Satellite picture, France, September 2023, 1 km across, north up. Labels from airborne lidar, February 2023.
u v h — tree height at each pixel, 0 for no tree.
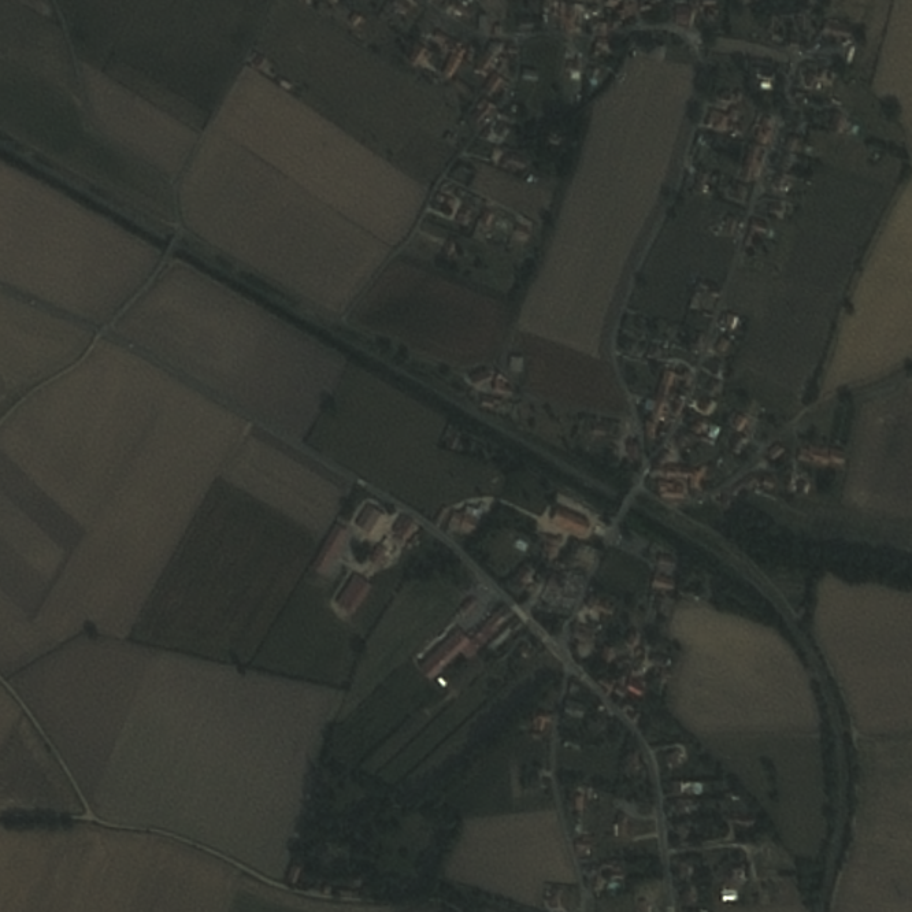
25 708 0
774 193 0
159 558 0
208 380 0
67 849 0
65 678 0
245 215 0
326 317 0
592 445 0
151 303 0
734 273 0
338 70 0
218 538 0
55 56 0
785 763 0
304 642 0
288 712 0
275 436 0
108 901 0
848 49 0
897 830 0
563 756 0
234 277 0
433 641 0
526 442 0
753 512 12
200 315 0
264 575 0
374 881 16
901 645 0
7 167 0
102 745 0
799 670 0
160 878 0
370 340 0
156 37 0
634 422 0
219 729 0
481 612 0
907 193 0
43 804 0
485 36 0
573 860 0
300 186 0
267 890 0
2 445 0
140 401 0
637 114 0
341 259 0
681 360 0
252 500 0
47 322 0
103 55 0
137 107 0
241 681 0
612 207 0
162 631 0
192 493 0
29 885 0
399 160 0
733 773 0
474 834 0
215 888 0
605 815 0
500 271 0
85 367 0
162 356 0
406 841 0
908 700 0
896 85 0
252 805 0
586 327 0
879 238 0
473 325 0
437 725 0
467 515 0
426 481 0
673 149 0
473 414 0
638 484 0
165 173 0
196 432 0
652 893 0
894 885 0
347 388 0
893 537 0
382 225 0
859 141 0
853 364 0
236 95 0
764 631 0
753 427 0
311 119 0
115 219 0
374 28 0
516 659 6
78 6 0
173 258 0
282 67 0
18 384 0
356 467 0
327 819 16
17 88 0
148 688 0
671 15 0
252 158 0
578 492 0
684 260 0
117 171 0
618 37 6
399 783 0
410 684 0
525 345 0
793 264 0
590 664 10
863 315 0
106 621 0
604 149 0
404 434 0
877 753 0
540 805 0
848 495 0
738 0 8
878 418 0
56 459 0
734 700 0
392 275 0
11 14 0
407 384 0
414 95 0
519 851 0
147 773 0
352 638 0
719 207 0
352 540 0
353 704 0
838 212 0
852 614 0
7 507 0
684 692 0
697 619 0
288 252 0
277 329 0
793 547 28
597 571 0
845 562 31
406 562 0
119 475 0
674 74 0
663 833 0
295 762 0
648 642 7
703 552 0
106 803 0
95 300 0
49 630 0
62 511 0
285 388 0
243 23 0
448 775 13
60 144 0
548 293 0
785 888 0
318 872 16
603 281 0
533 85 0
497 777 0
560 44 0
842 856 7
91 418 0
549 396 0
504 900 6
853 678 0
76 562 0
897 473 0
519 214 0
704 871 11
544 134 8
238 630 0
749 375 0
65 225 0
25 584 0
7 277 0
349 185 0
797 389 0
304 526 0
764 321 0
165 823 0
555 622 10
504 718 20
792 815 0
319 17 0
